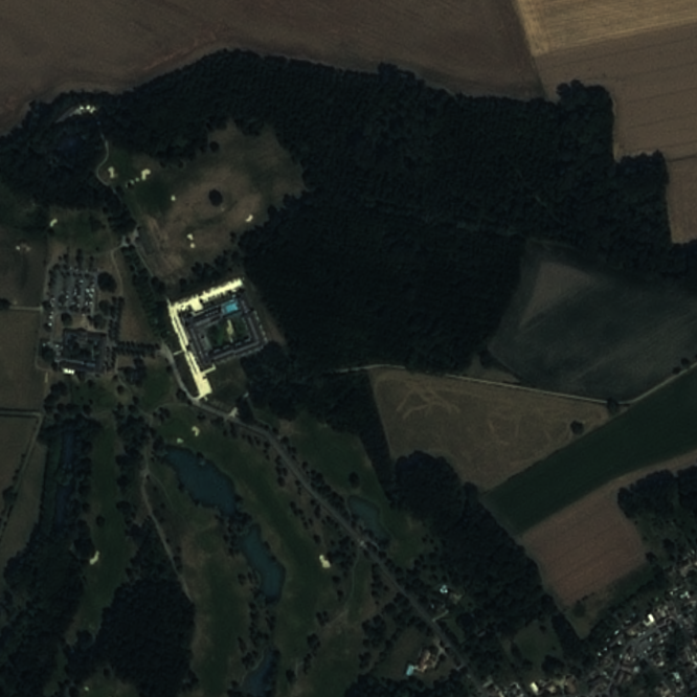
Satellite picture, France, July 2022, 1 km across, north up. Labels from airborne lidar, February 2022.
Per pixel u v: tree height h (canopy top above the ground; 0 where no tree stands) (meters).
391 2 0
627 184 30
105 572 0
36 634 25
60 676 0
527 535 0
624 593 0
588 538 0
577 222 17
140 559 11
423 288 13
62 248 0
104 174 0
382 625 10
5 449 0
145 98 22
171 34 0
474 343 15
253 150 0
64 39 0
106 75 0
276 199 0
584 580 0
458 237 14
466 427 0
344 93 13
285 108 11
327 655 0
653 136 0
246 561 0
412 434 0
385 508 0
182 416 0
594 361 0
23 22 0
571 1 0
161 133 21
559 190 17
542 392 0
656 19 0
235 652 0
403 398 0
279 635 0
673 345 0
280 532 0
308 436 0
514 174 7
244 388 0
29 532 0
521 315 0
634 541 0
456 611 17
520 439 0
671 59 0
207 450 0
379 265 14
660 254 31
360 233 14
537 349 0
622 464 0
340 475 0
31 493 0
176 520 0
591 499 0
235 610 0
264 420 0
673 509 27
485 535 27
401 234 21
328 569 0
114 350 8
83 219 0
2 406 0
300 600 0
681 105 0
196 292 0
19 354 0
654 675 0
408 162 12
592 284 0
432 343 16
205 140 11
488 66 0
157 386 0
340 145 10
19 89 0
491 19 0
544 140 14
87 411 15
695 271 33
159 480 0
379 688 21
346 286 8
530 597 24
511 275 13
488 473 0
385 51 0
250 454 0
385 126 23
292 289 15
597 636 8
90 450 13
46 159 26
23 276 0
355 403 11
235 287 0
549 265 0
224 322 17
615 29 0
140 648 25
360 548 0
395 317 11
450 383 0
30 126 19
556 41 0
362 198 6
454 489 22
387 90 23
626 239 31
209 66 12
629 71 0
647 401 0
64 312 0
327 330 12
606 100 19
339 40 0
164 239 0
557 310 0
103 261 0
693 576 7
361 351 11
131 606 23
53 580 28
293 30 0
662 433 0
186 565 0
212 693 0
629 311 0
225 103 16
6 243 0
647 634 0
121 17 0
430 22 0
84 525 16
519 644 0
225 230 0
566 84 0
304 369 11
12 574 19
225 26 0
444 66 0
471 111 14
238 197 0
